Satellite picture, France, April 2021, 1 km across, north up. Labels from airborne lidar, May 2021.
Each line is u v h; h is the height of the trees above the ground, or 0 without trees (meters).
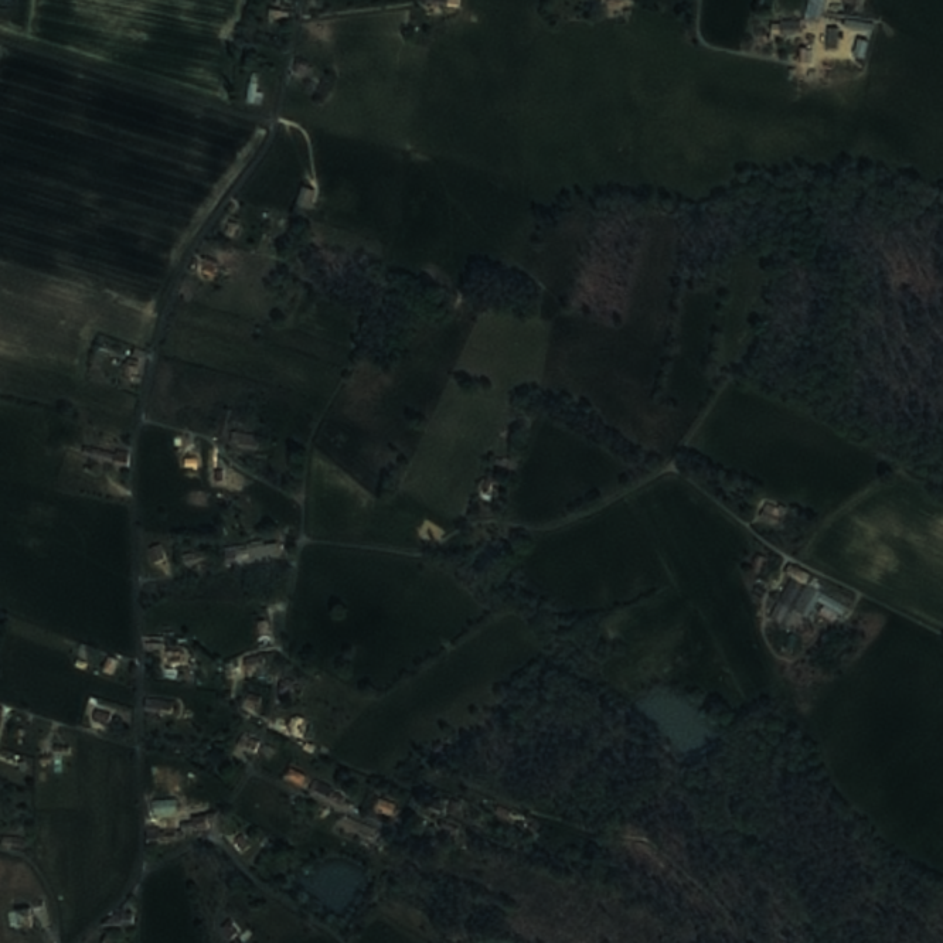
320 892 0
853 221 19
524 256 0
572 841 0
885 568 0
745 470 0
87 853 0
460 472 0
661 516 0
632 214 20
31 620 0
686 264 11
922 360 12
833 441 0
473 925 14
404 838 19
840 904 24
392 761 0
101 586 0
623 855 7
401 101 0
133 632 0
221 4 0
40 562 0
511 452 13
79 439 0
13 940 0
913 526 0
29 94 0
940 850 0
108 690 0
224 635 0
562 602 0
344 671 18
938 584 0
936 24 0
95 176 0
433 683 0
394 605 0
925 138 0
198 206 0
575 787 15
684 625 0
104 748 0
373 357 22
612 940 0
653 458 10
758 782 22
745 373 13
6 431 0
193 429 0
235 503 6
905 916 24
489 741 19
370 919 15
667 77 0
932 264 18
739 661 0
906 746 0
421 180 0
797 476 0
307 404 0
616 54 0
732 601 0
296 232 17
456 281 0
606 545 0
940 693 0
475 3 0
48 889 0
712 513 0
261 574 13
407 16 0
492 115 0
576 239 0
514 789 18
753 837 8
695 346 0
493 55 0
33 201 0
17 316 0
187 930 0
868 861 11
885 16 0
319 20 8
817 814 25
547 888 0
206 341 0
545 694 18
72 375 0
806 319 14
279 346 0
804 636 0
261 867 11
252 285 0
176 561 10
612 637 0
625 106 0
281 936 0
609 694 8
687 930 18
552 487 0
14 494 0
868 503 0
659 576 0
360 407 0
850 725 0
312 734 0
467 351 0
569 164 0
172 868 0
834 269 27
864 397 14
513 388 0
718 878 19
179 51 0
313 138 0
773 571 12
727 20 0
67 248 0
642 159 0
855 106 0
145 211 0
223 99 0
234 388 0
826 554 0
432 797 11
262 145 0
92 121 0
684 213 18
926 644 0
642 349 0
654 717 0
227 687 10
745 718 15
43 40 0
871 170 23
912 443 17
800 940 23
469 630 10
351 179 0
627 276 10
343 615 14
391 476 13
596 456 0
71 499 0
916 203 19
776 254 13
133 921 0
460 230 0
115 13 0
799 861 23
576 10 7
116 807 0
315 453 0
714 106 0
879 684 0
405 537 0
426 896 16
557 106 0
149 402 0
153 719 7
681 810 20
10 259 0
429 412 0
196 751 12
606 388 0
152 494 0
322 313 0
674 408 10
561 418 14
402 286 16
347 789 11
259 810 0
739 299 0
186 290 0
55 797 0
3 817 8
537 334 0
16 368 0
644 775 28
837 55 0
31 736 7
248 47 9
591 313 13
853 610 0
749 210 23
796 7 0
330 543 0
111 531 0
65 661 0
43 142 0
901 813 0
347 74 0
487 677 0
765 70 0
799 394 18
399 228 0
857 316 12
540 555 0
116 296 0
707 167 0
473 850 13
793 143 0
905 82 0
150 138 0
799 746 18
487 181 0
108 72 0
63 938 0
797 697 0
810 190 14
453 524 0
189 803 0
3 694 0
